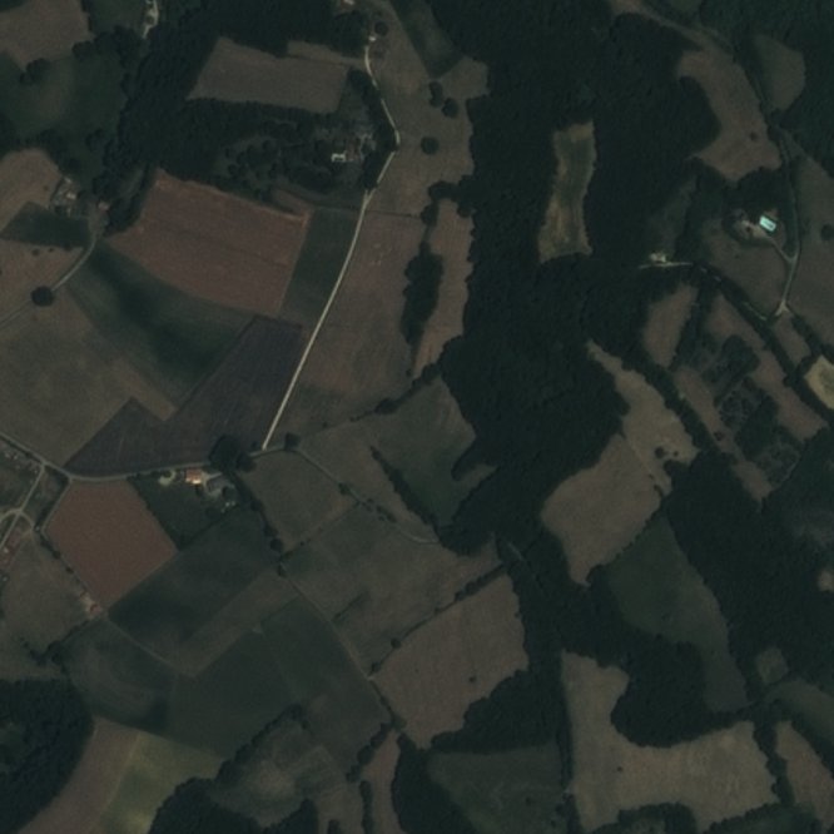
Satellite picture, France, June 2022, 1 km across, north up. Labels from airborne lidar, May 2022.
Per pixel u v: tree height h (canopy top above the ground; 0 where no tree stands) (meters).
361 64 0
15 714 17
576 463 19
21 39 0
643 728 25
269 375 0
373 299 0
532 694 20
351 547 0
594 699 0
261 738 12
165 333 0
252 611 0
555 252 0
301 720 10
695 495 18
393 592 0
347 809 0
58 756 20
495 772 0
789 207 6
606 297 20
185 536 7
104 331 0
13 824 16
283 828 12
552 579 24
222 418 0
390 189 0
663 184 12
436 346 0
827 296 0
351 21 17
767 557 20
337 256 0
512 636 0
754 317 10
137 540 0
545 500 17
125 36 23
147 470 0
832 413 11
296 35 19
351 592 0
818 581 12
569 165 0
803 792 0
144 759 0
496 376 19
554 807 0
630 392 0
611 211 15
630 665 11
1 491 0
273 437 0
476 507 18
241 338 0
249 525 0
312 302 0
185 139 14
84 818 0
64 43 0
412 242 0
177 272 0
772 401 12
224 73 0
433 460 0
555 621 19
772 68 0
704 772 0
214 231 0
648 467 0
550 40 19
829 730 0
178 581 0
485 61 15
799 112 10
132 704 0
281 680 0
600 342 23
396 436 0
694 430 16
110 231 10
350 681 0
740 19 11
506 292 20
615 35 23
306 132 15
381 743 10
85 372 0
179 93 16
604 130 18
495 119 15
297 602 0
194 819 14
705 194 8
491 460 13
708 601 0
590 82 13
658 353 0
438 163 0
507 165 17
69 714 21
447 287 0
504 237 19
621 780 0
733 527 21
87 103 0
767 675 0
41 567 0
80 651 0
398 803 15
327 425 7
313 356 0
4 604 0
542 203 20
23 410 0
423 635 0
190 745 0
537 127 21
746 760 0
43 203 0
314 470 0
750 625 15
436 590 0
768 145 0
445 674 0
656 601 0
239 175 10
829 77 13
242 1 18
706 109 19
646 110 18
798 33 14
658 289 15
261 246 0
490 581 11
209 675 0
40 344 0
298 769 0
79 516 0
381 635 0
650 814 7
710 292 12
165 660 0
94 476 0
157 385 0
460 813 20
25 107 0
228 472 11
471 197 18
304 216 0
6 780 20
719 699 0
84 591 0
